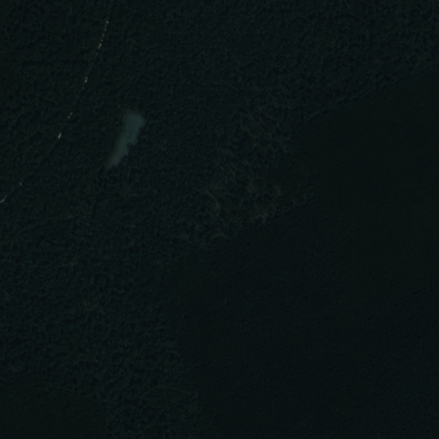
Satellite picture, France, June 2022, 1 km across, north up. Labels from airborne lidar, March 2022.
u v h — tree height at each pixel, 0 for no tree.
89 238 25
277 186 26
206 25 24
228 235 17
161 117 21
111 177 24
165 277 14
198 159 22
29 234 24
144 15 23
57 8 27
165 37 29
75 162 25
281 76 21
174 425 7
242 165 26
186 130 22
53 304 17
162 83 24
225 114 19
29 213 24
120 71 24
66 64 22
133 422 25
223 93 21
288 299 12
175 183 20
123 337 27
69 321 23
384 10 19
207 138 21
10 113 20
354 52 23
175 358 21
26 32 23
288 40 19
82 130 25
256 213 18
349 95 23
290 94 0
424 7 24
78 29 22
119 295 20
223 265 12
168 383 6
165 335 17
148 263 24
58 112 22
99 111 28
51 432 9
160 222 22
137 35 21
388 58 26
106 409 21
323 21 27
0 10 8
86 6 24
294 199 19
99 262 25
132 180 25
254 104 23
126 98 26
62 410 10
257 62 25
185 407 6
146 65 27
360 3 25
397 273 10
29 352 24
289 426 14
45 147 18
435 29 20
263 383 14
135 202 25
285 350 12
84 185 22
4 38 8
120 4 21
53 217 19
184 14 25
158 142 22
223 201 22
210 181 23
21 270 22
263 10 25
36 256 22
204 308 14
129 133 0
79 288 23
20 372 0
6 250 29
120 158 0
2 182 22
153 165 24
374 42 26
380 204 7
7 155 22
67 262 23
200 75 22
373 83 22
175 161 22
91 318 26
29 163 21
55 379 21
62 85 18
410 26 19
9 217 25
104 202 23
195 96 22
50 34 18
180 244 21
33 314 26
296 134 10
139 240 21
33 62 24
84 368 26
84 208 0
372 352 13
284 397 14
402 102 10
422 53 21
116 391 29
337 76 26
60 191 23
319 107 23
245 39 23
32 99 21
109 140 24
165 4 26
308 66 22
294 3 24
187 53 23
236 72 23
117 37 23
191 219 20
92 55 20
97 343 24
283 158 12
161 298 16
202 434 14
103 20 22
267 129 26
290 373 14
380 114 11
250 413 11
